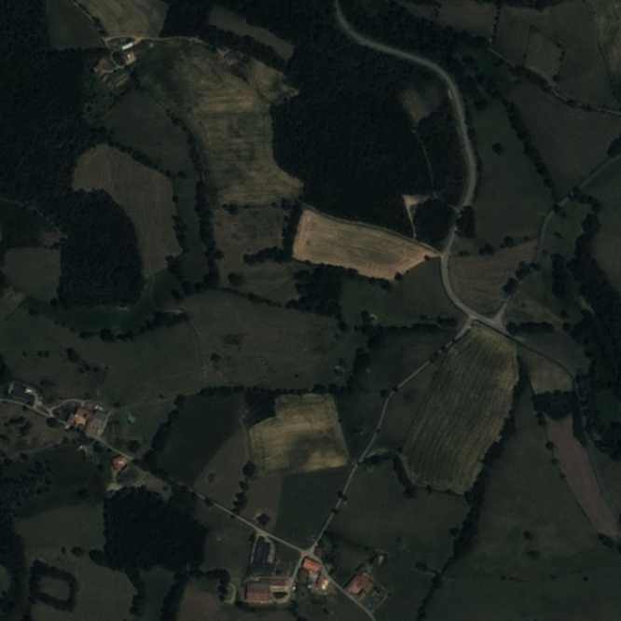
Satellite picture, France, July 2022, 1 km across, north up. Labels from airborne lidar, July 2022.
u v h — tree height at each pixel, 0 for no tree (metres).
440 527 0
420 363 0
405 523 0
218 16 0
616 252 0
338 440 0
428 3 10
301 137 13
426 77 8
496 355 0
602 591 0
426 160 7
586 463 0
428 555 0
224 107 0
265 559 0
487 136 0
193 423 0
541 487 0
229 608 0
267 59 9
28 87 10
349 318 0
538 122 0
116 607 0
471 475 0
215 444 0
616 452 24
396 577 0
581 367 0
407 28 16
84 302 16
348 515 0
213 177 0
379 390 0
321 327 0
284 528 0
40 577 17
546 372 0
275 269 0
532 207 0
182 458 0
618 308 16
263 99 0
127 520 20
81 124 19
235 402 0
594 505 0
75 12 0
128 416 0
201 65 0
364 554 0
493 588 0
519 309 0
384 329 20
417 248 0
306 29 24
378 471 0
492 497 0
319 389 17
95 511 0
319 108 9
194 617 0
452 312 0
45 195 18
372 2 0
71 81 18
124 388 0
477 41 18
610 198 0
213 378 0
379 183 7
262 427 0
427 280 0
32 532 0
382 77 20
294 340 0
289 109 11
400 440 0
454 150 7
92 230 15
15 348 0
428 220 11
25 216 0
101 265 12
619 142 17
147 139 0
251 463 13
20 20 7
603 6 0
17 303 0
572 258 0
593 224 20
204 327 0
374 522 0
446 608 0
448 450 0
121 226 18
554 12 0
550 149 0
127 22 0
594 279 15
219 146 0
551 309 0
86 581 0
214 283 22
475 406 0
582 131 0
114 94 7
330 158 11
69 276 10
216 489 0
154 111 0
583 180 0
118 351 0
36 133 18
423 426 0
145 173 0
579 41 0
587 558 0
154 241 0
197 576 16
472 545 11
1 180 13
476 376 0
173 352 0
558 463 8
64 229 16
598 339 13
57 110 16
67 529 0
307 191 6
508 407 0
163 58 0
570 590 0
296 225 12
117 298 22
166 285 0
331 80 17
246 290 0
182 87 0
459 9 0
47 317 0
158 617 0
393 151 14
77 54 17
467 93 22
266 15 24
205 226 22
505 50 0
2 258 16
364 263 0
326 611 12
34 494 13
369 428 0
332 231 0
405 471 11
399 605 0
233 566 0
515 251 0
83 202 15
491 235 0
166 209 0
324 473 0
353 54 21
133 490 14
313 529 0
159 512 16
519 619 0
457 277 0
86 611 0
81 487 0
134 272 11
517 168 0
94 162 0
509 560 0
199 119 0
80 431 11
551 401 18
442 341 0
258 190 0
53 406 0
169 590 0
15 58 11
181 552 15
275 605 0
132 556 19
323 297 15
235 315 0
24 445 0
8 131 20
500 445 14
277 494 0
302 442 0
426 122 14
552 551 0
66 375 0
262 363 0
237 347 0
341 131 13
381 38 9
